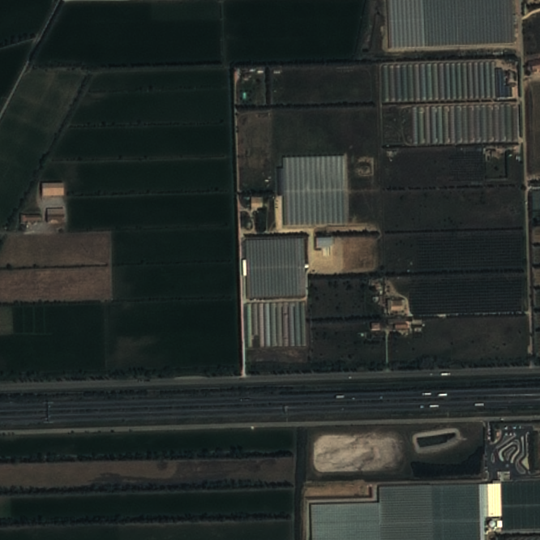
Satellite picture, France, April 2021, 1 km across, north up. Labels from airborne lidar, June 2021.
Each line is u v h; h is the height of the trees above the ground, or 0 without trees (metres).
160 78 0
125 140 0
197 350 0
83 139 0
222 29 0
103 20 0
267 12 0
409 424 0
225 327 0
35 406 0
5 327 0
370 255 0
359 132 0
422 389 6
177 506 0
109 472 0
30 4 0
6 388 0
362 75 0
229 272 0
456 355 0
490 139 0
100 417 0
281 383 0
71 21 0
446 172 0
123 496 0
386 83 0
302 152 0
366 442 0
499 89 0
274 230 0
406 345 0
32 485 0
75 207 0
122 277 0
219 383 0
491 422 6
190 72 0
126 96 0
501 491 0
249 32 0
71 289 0
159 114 0
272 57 0
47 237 0
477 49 0
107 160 0
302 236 11
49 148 0
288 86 0
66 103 0
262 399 0
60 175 0
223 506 0
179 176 0
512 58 9
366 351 0
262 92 0
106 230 0
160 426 0
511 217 0
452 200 0
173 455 11
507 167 6
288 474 0
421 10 0
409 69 0
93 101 0
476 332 0
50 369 0
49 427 0
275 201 0
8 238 0
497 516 0
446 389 7
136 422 0
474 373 0
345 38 0
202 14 0
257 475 0
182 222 0
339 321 12
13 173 0
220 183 0
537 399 0
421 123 0
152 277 0
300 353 0
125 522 14
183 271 0
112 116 0
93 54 0
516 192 0
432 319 6
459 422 0
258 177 0
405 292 0
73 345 0
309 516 0
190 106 0
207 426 0
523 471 0
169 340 0
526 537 10
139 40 0
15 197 0
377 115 0
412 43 0
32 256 0
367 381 0
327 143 0
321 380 0
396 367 10
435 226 0
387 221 0
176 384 0
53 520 7
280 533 0
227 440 0
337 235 10
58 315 0
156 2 0
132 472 0
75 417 0
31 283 0
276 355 0
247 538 0
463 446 0
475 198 0
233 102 7
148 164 0
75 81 0
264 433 0
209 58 0
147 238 0
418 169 0
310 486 0
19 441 0
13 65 0
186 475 0
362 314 0
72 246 0
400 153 0
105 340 0
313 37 0
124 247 0
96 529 0
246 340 0
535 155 0
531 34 0
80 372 6
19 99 0
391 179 0
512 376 0
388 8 0
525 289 0
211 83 0
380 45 0
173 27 0
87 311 0
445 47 0
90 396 6
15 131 0
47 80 0
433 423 0
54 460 12
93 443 0
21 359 0
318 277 8
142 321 0
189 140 0
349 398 0
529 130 0
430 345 0
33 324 0
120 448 0
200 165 0
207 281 0
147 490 14
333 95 0
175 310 0
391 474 0
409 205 0
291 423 0
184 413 0
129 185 0
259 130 0
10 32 0
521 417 0
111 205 0
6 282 0
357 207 0
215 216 0
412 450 0
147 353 0
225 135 0
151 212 0
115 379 13
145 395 6
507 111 0
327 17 0
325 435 0
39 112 0
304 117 0
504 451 0
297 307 0
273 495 0
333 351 0
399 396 0
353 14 0
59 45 0
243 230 0
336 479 0
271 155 0
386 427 0
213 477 0
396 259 0
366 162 0
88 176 0
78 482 0
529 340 0
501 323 0
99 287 0
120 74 0
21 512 0
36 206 0
